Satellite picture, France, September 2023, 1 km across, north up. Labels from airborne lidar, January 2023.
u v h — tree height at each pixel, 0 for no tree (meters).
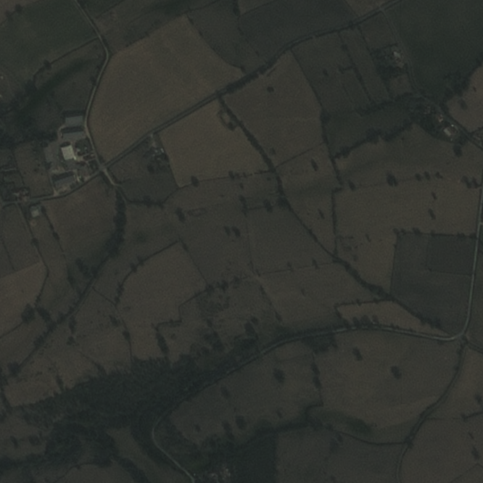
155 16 0
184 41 0
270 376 0
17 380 0
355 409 0
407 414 0
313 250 0
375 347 0
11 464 16
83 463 0
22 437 0
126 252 0
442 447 0
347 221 0
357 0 0
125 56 0
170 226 0
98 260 0
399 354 0
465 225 0
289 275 0
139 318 0
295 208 0
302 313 0
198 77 0
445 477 0
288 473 0
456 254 0
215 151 0
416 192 0
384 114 0
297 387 0
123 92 0
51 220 0
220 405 0
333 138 0
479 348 0
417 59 0
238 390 0
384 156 0
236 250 0
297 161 0
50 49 0
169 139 0
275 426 0
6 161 0
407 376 0
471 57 0
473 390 0
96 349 0
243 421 14
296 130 0
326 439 0
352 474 0
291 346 0
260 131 0
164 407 15
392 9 0
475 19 0
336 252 7
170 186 0
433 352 0
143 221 0
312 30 0
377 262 0
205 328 0
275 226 0
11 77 0
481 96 0
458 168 0
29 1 0
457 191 0
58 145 0
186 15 0
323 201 0
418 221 0
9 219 0
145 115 0
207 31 0
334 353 0
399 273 0
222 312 0
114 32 0
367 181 0
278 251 0
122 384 6
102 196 0
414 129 0
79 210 0
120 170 0
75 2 0
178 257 0
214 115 0
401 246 0
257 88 0
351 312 0
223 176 0
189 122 0
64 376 0
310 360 0
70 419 14
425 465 0
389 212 0
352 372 0
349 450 0
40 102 0
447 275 0
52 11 0
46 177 0
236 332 0
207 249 0
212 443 17
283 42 0
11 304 0
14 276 0
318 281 0
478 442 0
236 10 11
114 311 0
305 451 0
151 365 12
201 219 0
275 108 0
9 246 0
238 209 0
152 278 0
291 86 0
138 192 0
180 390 9
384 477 0
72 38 0
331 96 0
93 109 0
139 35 0
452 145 0
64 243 0
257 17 0
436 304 0
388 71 10
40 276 0
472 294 0
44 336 7
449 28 0
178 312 0
